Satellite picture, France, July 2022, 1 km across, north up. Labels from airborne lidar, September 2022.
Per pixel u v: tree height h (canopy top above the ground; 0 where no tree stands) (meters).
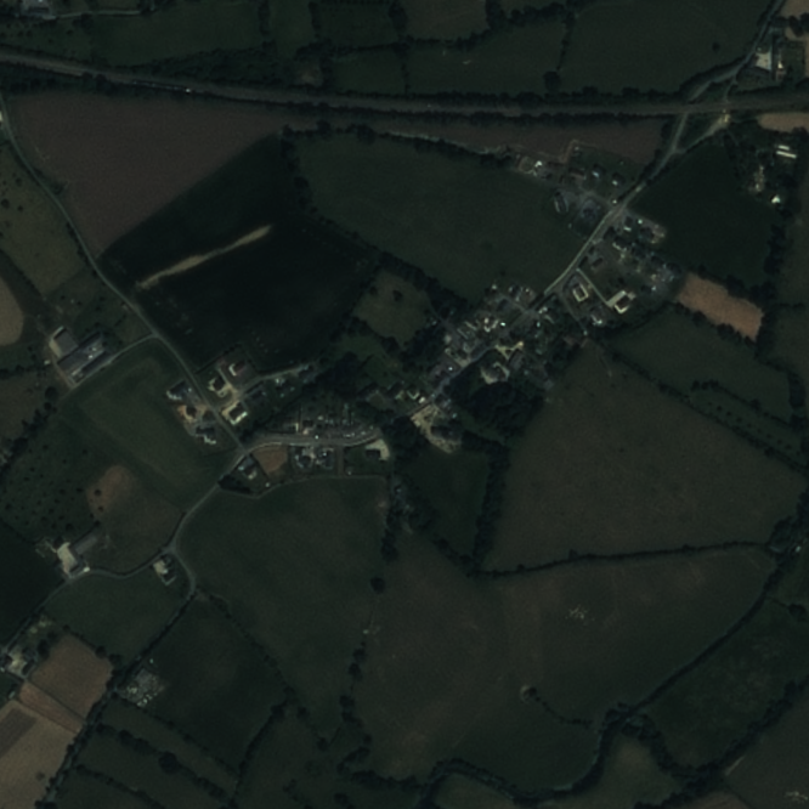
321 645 0
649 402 0
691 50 0
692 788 13
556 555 0
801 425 27
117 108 0
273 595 0
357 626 0
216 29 0
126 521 0
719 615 0
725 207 0
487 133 0
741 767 0
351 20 0
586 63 0
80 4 0
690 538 0
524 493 0
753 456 0
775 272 31
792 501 0
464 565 12
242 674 0
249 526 0
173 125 0
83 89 9
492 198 0
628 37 0
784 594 0
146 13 15
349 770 13
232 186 0
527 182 0
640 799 0
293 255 0
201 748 6
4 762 0
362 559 0
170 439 0
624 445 0
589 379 0
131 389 0
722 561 0
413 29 0
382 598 0
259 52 7
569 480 0
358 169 0
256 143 0
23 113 0
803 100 0
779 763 0
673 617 0
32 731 0
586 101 7
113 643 0
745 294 15
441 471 0
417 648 0
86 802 0
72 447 0
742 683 0
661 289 0
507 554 0
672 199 0
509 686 0
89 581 0
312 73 0
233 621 6
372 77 0
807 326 0
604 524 0
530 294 0
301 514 0
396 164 0
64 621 0
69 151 0
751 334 0
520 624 0
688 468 0
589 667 0
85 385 0
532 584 0
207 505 0
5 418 0
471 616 0
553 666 0
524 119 10
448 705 0
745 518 0
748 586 0
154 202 0
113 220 0
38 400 0
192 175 0
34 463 0
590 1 12
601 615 0
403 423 15
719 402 0
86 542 0
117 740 7
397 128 0
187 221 0
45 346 0
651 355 0
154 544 0
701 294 0
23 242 0
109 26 0
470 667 0
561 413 0
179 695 0
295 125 0
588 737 0
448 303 13
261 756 0
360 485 0
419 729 0
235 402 0
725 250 0
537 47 0
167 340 0
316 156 0
